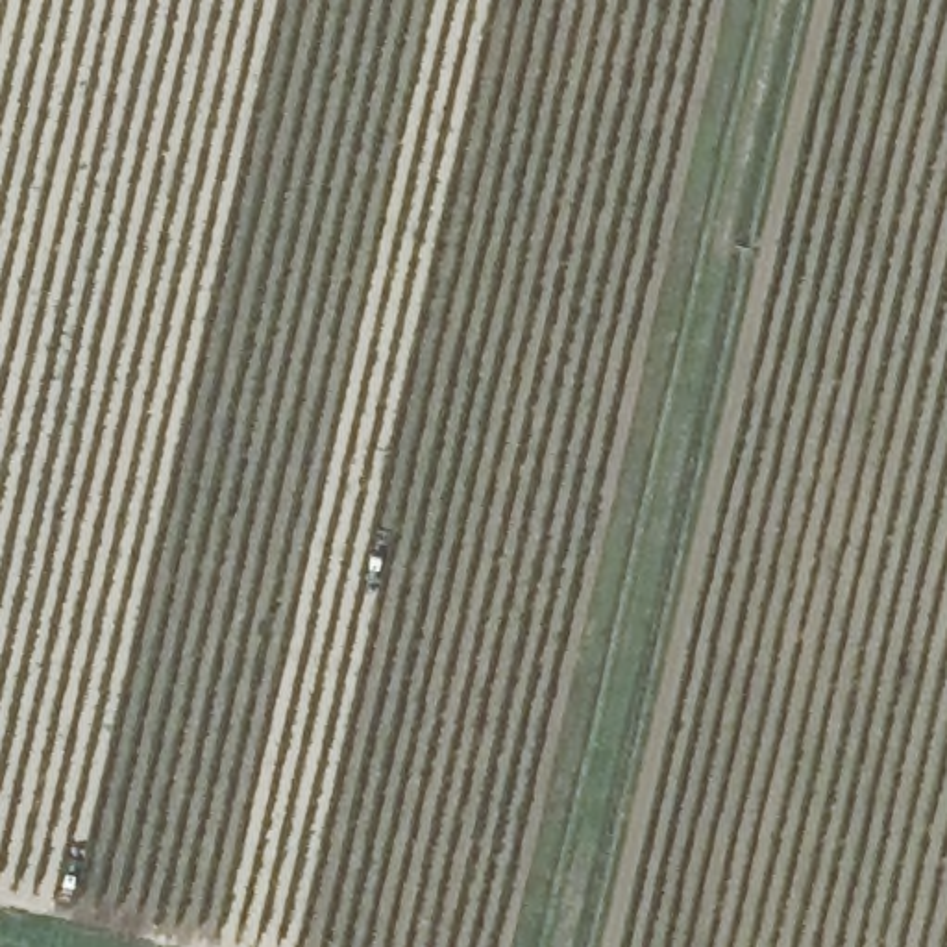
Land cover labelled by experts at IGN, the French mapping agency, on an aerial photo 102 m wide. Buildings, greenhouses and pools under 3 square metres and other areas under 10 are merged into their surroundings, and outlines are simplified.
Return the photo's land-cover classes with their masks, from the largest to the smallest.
<instances>
[{"label":"vineyard","instance_id":"1","mask_svg":"<svg viewBox=\"0 0 947 947\"><path fill-rule=\"evenodd\" d=\"M725 0H0V906L48 914L59 921H81L92 932H115L155 947H514L573 673L581 662L584 636L596 633L588 610L596 596L603 544L610 533V510L644 381L658 292L670 270L673 226L681 215L703 96L718 55ZM603 947H947V0H814L806 52L784 126L769 215L758 240L751 300L688 551L684 588L666 651L662 688L655 699L644 769L636 781Z\"/></svg>","mask_w":947,"mask_h":947},{"label":"herbaceous vegetation","instance_id":"2","mask_svg":"<svg viewBox=\"0 0 947 947\"><path fill-rule=\"evenodd\" d=\"M814 0H725L718 55L703 96L681 215L673 226L670 270L658 292L644 381L610 510V533L603 544L596 596L588 610L596 633L584 636L581 662L573 673L514 947H603L636 781L644 769L655 699L662 688L666 651L684 588L688 551L751 300L758 240L769 215L784 126L806 52ZM0 947H155L115 932H92L81 921H59L48 914L0 906Z\"/></svg>","mask_w":947,"mask_h":947}]
</instances>
